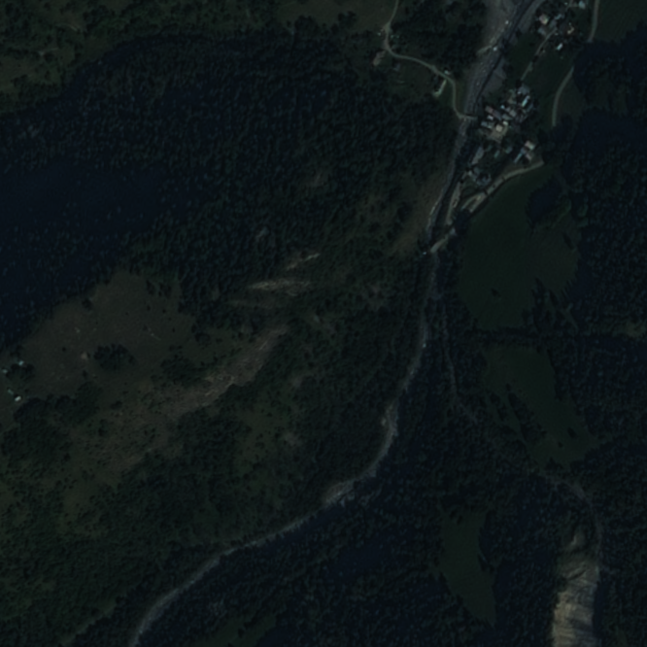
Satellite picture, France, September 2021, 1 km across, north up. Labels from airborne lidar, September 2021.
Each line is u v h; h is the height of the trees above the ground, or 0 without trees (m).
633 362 29
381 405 13
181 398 9
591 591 0
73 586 23
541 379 0
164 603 0
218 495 21
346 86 17
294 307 6
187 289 23
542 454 0
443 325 13
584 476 15
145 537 10
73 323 0
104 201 21
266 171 17
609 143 30
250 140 18
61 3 0
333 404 17
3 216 23
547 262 0
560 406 0
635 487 24
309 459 11
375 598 9
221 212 12
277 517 18
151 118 17
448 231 0
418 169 15
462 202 0
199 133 11
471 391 28
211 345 10
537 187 0
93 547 19
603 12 0
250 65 28
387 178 11
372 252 8
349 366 19
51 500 9
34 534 8
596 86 16
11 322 13
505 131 0
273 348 9
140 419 8
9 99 16
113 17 20
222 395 12
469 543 0
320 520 0
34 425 12
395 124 12
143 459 7
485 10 15
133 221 20
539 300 12
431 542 24
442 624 23
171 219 8
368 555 22
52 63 14
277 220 17
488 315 0
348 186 21
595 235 16
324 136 15
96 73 17
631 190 25
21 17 15
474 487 11
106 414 0
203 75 14
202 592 12
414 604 26
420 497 23
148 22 20
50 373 0
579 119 0
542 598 8
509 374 0
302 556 22
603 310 29
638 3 0
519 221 0
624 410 16
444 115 10
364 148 10
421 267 12
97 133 21
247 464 8
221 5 12
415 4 7
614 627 13
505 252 0
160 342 0
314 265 11
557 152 21
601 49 0
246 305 10
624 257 20
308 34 16
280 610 16
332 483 18
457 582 0
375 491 18
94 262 18
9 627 15
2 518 7
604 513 15
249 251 10
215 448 19
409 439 12
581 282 0
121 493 12
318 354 16
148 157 12
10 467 12
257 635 0
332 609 12
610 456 20
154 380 7
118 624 13
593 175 23
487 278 0
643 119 16
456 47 12
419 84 0
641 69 25
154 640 11
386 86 18
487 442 11
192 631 15
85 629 0
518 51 0
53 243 19
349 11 0
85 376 12
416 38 16
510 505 8
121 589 20
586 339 18
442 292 11
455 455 17
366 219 9
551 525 19
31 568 7
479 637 0
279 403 11
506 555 24
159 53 19
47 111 16
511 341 19
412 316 14
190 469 24
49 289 11
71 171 17
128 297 0
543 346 14
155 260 15
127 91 14
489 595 0
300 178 18
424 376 10
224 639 0
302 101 10
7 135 14
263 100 17
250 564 16
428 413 12
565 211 12
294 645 20
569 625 0
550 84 0
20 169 18
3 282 14
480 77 0
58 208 18
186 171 17
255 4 22
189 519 22
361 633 25
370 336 21
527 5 0
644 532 16
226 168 18
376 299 14
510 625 21
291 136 13
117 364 14
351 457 17
